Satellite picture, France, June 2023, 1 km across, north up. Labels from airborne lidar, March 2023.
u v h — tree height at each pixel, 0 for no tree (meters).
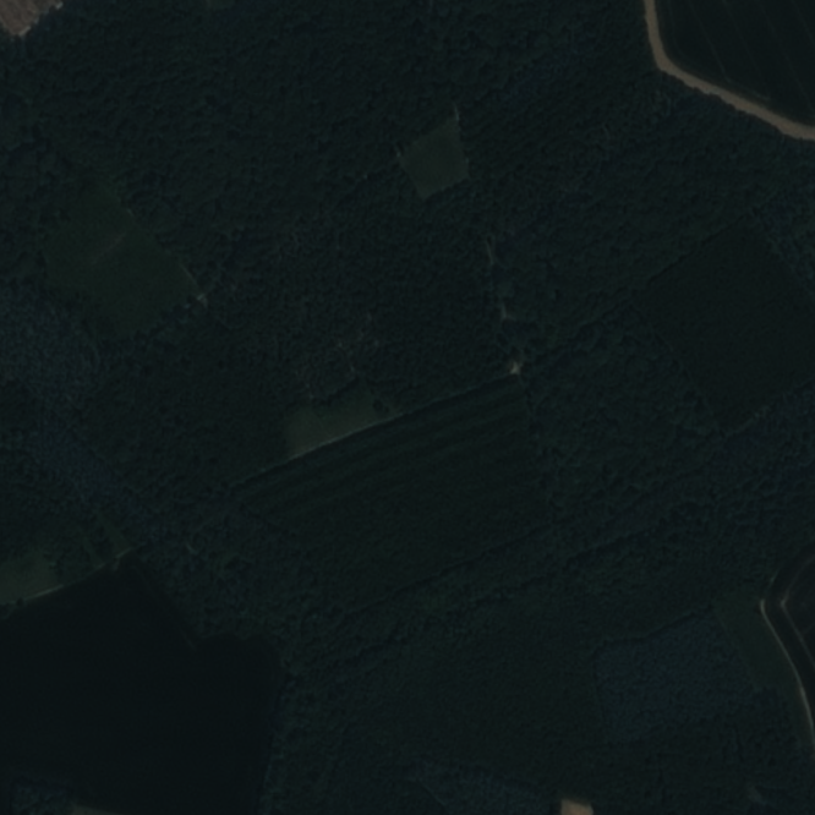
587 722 16
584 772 16
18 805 13
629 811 19
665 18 0
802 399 22
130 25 18
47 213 23
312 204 24
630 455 23
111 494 24
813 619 0
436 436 9
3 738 0
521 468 9
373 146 24
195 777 0
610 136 14
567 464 23
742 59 0
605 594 15
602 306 15
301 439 0
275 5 25
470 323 15
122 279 0
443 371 16
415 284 16
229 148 28
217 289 12
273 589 20
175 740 0
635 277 23
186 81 24
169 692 0
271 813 11
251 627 17
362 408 0
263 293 16
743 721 20
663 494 25
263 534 24
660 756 23
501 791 29
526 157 17
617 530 17
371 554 7
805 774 22
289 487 10
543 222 23
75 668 0
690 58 0
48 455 24
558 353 11
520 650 13
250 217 27
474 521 9
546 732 17
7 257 23
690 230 22
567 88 15
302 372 17
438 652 14
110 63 18
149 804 0
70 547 21
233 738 0
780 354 7
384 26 24
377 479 10
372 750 19
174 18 18
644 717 21
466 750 17
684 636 22
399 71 23
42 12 28
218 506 28
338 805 18
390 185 19
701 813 20
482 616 18
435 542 10
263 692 0
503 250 29
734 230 6
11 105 27
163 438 12
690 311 6
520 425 11
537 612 15
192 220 31
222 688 0
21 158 27
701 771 21
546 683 16
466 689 13
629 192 25
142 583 0
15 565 0
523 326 24
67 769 0
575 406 25
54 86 18
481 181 16
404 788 19
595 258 30
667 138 21
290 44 23
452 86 26
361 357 15
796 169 27
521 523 12
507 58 25
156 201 31
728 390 6
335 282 15
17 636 0
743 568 16
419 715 17
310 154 24
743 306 6
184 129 27
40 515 18
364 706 13
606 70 16
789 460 17
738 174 30
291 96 25
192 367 11
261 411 12
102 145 23
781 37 0
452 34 18
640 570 16
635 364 26
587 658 15
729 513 22
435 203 14
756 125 16
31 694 0
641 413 27
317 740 10
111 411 17
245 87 27
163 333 10
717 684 19
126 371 12
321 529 12
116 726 0
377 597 9
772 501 22
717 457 21
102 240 0
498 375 7
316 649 20
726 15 0
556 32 27
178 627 0
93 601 0
